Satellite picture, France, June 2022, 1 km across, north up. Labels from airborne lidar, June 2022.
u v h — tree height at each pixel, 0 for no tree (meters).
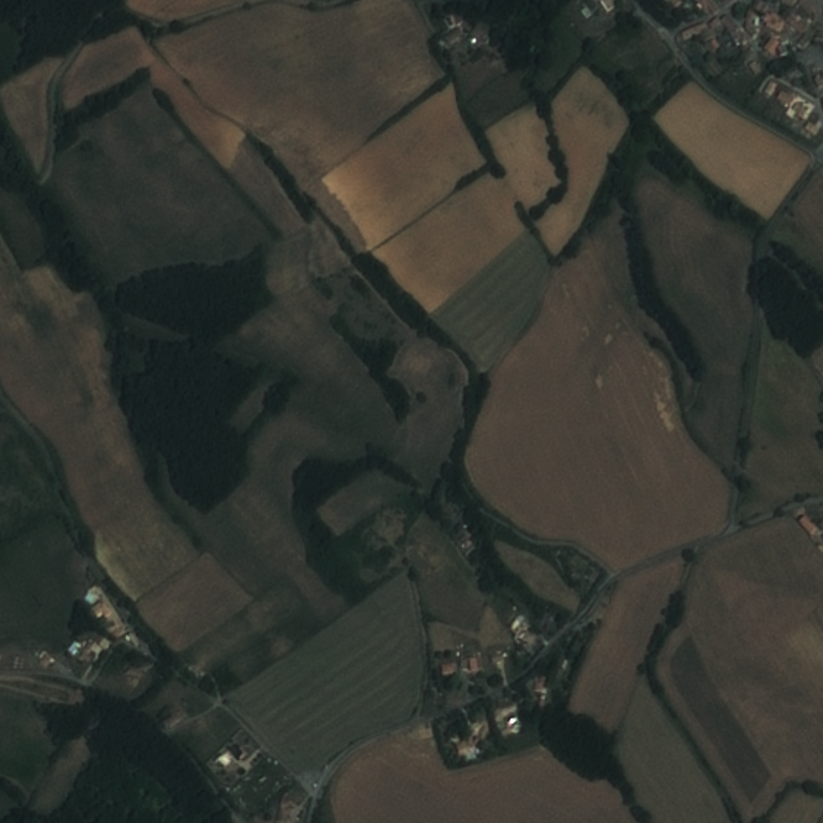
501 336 0
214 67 0
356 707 0
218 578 0
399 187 0
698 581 0
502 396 0
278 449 0
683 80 7
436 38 10
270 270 0
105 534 0
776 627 0
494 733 10
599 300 0
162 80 0
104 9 14
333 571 6
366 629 0
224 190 0
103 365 0
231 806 9
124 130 0
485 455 0
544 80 0
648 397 0
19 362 0
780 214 0
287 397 16
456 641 0
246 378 22
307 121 0
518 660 11
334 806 0
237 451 16
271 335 0
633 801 17
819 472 0
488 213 0
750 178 0
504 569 11
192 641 0
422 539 0
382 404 0
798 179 0
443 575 0
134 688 0
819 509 0
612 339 0
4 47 0
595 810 0
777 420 0
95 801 10
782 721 0
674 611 13
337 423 0
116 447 0
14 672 0
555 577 0
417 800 0
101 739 22
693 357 31
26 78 0
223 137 0
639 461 0
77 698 0
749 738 0
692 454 0
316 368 0
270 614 0
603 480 0
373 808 0
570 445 0
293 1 0
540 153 0
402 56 0
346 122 0
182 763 14
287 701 0
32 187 14
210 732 0
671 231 0
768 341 0
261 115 0
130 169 0
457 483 14
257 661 0
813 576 0
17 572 0
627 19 12
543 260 0
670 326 33
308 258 0
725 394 0
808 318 21
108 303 18
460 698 0
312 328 0
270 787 0
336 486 17
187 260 0
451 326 0
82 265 31
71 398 0
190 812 16
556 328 0
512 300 0
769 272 22
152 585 0
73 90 0
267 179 0
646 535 0
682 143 0
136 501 0
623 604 0
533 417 0
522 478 0
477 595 0
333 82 0
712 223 0
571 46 0
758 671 0
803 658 0
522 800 0
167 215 0
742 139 0
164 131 0
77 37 15
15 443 0
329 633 0
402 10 0
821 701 0
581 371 0
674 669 0
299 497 17
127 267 0
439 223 0
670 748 0
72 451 0
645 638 0
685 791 0
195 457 21
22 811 9
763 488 0
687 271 0
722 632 0
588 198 0
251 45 0
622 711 0
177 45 0
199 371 22
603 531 0
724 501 0
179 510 0
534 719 14
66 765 0
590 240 0
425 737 0
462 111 7
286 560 0
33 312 0
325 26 0
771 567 0
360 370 0
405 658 0
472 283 0
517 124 0
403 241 0
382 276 11
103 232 0
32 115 0
